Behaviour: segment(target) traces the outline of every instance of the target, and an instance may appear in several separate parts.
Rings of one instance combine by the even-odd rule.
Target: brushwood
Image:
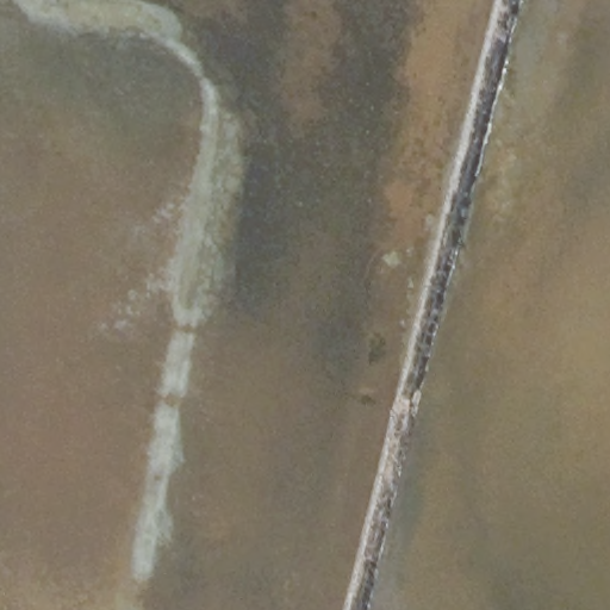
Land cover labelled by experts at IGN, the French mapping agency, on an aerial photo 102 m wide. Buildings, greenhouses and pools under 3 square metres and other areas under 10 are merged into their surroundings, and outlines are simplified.
[[[353,610],[367,610],[376,572],[376,562],[372,562],[372,558],[384,558],[391,531],[391,522],[386,519],[381,505],[374,517],[365,574]]]
[[[407,434],[410,415],[419,412],[422,393],[417,393],[417,388],[427,379],[427,360],[436,355],[438,334],[450,310],[450,303],[462,310],[467,298],[479,293],[479,284],[469,274],[469,267],[477,264],[477,245],[486,241],[486,193],[498,186],[498,176],[488,174],[479,164],[479,160],[503,62],[508,57],[508,43],[515,38],[517,31],[515,14],[519,14],[519,0],[505,0],[508,10],[500,17],[498,38],[486,60],[486,79],[479,95],[469,150],[462,162],[460,186],[448,214],[448,241],[441,245],[436,276],[427,300],[422,334],[417,338],[415,365],[405,391],[407,412],[398,415],[396,424],[396,436],[400,438]]]

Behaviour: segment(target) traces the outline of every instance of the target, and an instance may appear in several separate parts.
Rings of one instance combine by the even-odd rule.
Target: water
[[[179,407],[179,441],[183,462],[176,465],[169,474],[167,512],[172,517],[172,539],[162,541],[155,550],[153,572],[138,593],[138,603],[143,605],[143,610],[343,610],[365,515],[369,508],[381,460],[388,415],[396,400],[407,334],[412,329],[417,295],[427,269],[429,243],[436,231],[448,169],[458,150],[460,129],[465,122],[469,91],[477,74],[484,36],[488,29],[493,0],[145,0],[176,14],[181,24],[179,41],[200,60],[205,76],[217,88],[219,110],[214,167],[210,174],[212,212],[205,222],[205,234],[210,234],[214,243],[200,243],[195,274],[188,284],[183,300],[186,310],[193,307],[203,312],[203,319],[195,324],[198,329],[193,334],[191,372]]]
[[[174,257],[176,241],[181,238],[181,203],[188,195],[195,162],[200,155],[203,126],[200,83],[195,81],[191,67],[183,64],[167,45],[160,45],[153,38],[141,38],[138,26],[110,29],[105,33],[69,33],[50,24],[31,21],[29,14],[14,0],[0,0],[0,550],[29,548],[31,562],[43,560],[50,572],[81,565],[91,569],[91,577],[95,579],[100,574],[100,560],[105,555],[114,555],[126,543],[133,548],[136,522],[141,517],[145,496],[148,448],[155,438],[157,396],[164,376],[167,348],[174,338],[176,324],[172,300],[167,293],[167,264]]]
[[[517,31],[515,38],[508,43],[508,57],[503,62],[479,160],[479,164],[488,174],[498,176],[498,186],[486,193],[486,241],[477,245],[477,264],[469,267],[469,274],[479,284],[479,293],[467,298],[462,310],[450,303],[450,310],[438,334],[436,355],[427,360],[427,379],[417,388],[417,393],[422,393],[419,412],[410,415],[407,434],[400,438],[398,460],[393,465],[393,481],[384,486],[381,505],[386,519],[391,522],[391,531],[384,558],[372,558],[372,562],[376,562],[376,572],[367,610],[610,610],[610,0],[519,0],[519,14],[515,14]]]

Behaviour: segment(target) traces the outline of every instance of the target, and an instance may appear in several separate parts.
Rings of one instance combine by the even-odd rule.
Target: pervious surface
[[[167,264],[167,293],[172,300],[176,324],[174,338],[167,348],[164,376],[157,396],[155,438],[148,448],[145,496],[141,517],[136,522],[133,548],[126,543],[114,555],[105,555],[100,560],[100,574],[95,579],[91,577],[91,569],[81,565],[50,572],[43,560],[31,562],[29,548],[0,550],[0,610],[143,610],[143,605],[138,603],[138,593],[153,572],[155,550],[162,541],[172,539],[172,517],[167,512],[169,474],[176,465],[183,462],[179,441],[179,407],[191,372],[193,334],[198,329],[195,324],[203,319],[203,312],[193,307],[186,310],[183,300],[188,284],[195,274],[200,243],[214,243],[210,234],[205,234],[205,222],[212,212],[210,174],[214,167],[219,110],[217,88],[205,76],[200,60],[179,41],[181,24],[176,14],[145,0],[14,0],[29,14],[31,21],[50,24],[69,33],[105,33],[110,29],[138,26],[141,38],[153,38],[160,45],[167,45],[183,64],[191,67],[195,81],[200,83],[203,126],[200,155],[195,162],[188,195],[181,203],[181,238],[176,241],[174,257]]]
[[[427,269],[417,295],[412,329],[407,334],[396,400],[388,415],[381,460],[369,508],[365,515],[343,610],[353,610],[365,574],[374,517],[381,505],[384,486],[393,481],[393,465],[398,460],[400,438],[396,436],[396,424],[398,415],[407,412],[405,391],[415,365],[417,338],[422,334],[427,300],[436,276],[441,245],[448,241],[448,214],[460,186],[462,162],[469,150],[479,95],[486,79],[486,60],[498,38],[500,17],[508,10],[505,0],[493,0],[488,29],[484,36],[477,74],[469,91],[465,122],[460,129],[458,150],[448,169],[436,231],[429,243]]]

